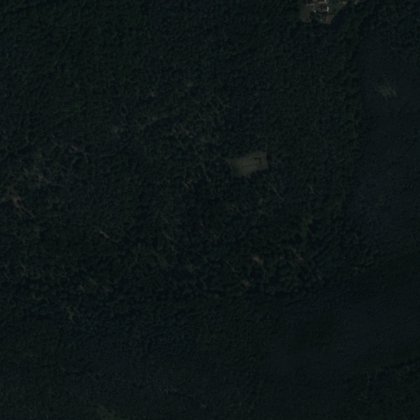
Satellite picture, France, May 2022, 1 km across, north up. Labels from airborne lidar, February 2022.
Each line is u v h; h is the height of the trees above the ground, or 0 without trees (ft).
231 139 93
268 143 92
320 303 67
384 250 73
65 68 101
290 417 64
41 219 97
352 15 63
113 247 95
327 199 99
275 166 30
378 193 71
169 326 87
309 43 90
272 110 69
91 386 74
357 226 64
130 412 63
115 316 36
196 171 91
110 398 66
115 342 81
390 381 66
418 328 69
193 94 99
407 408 70
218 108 103
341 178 104
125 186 76
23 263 100
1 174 70
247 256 95
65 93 85
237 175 0
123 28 66
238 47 93
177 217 94
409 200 61
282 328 67
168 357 82
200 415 57
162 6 73
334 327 66
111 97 79
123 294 93
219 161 26
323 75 97
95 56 80
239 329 79
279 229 88
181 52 89
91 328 36
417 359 65
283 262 113
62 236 84
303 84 92
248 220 91
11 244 84
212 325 91
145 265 26
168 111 98
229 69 77
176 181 83
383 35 93
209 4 86
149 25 76
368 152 65
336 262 96
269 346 70
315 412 81
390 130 63
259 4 95
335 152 84
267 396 63
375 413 63
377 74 70
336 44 92
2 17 87
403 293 70
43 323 98
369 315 67
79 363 66
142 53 57
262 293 100
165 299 110
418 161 72
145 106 88
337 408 62
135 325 93
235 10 94
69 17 91
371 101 62
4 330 86
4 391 67
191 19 75
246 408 70
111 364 80
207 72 102
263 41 86
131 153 96
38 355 78
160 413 65
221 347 89
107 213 91
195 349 81
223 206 83
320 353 68
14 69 82
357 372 38
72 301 96
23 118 83
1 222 91
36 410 69
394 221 78
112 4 80
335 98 76
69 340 92
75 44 88
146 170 88
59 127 91
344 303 70
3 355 65
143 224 97
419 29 80
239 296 80
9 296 87
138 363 73
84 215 82
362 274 42
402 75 70
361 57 77
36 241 85
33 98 71
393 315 61
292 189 99
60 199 95
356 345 65
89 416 71
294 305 75
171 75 100
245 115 88
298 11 75
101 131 94
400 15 94
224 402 71
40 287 103
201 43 102
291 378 61
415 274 62
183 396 69
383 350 62
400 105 67
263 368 66
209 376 64
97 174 109
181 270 22
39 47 85
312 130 95
